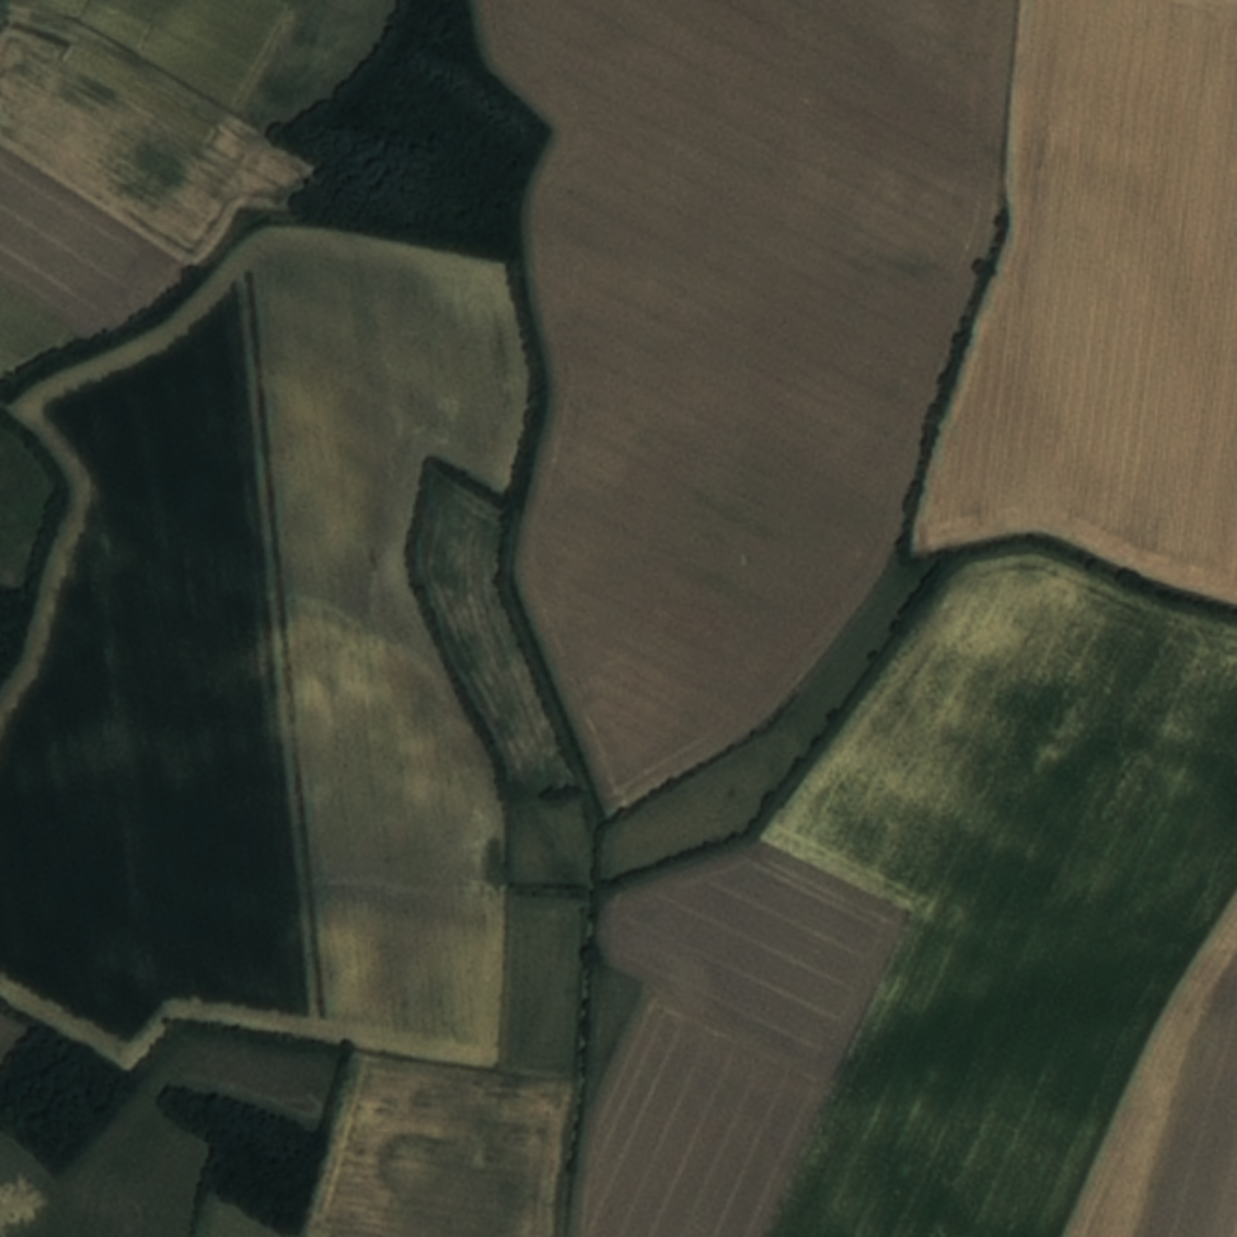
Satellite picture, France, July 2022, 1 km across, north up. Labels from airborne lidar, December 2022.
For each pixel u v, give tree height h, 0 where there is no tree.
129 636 0
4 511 0
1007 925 0
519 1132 0
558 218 0
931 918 0
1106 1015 0
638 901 0
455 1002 0
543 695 7
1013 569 0
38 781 0
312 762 0
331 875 0
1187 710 0
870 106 0
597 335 0
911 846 0
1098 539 0
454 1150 0
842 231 0
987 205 0
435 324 0
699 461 0
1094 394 0
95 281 0
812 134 0
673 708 0
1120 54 0
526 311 6
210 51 0
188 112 0
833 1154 0
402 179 19
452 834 0
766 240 0
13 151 0
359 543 0
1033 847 0
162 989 0
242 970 0
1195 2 0
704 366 0
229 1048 0
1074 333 0
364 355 0
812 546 0
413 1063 0
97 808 0
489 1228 0
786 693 0
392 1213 0
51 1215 0
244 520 0
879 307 0
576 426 0
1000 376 0
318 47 0
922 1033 0
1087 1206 0
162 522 0
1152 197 0
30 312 0
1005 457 0
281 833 0
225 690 0
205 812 0
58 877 0
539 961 0
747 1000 0
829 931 0
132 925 0
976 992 0
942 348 0
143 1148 0
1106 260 0
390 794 0
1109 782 0
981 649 0
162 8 0
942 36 0
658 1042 0
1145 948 0
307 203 13
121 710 0
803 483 0
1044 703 0
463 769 0
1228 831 0
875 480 0
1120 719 0
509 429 0
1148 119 0
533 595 0
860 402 0
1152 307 0
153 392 0
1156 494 0
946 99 0
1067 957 0
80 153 0
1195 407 0
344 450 0
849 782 0
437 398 0
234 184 0
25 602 15
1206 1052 0
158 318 11
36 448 13
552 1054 0
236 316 0
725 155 0
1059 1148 0
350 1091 0
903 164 0
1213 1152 0
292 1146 18
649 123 0
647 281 0
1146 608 0
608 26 0
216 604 0
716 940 0
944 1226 0
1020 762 0
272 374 0
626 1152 0
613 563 0
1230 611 11
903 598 0
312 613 0
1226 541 0
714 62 0
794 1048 0
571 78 0
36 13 0
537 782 0
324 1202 0
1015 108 0
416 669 0
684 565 0
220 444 0
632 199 0
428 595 11
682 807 0
